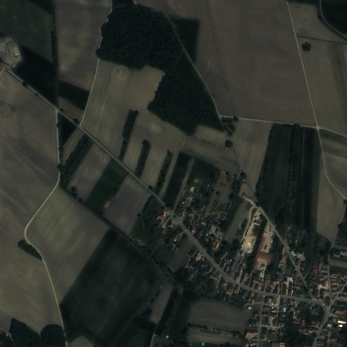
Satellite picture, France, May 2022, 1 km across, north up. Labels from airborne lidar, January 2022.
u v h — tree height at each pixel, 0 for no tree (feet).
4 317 0
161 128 0
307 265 0
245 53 0
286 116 0
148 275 0
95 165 0
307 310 0
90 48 0
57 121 0
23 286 0
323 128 0
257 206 31
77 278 0
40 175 0
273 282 0
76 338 0
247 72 0
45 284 0
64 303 0
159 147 0
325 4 0
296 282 0
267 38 0
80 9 0
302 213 0
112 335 0
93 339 0
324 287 0
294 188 25
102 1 0
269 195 0
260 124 0
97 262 0
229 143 39
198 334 0
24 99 0
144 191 0
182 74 0
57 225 0
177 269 0
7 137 0
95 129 0
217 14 0
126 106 0
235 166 0
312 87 0
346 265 0
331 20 0
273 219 0
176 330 0
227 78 0
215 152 0
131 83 0
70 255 0
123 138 0
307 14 0
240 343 0
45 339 58
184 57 0
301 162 0
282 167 0
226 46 0
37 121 0
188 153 0
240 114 0
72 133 0
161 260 0
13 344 62
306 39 0
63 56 0
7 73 0
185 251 0
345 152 0
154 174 0
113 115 0
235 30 0
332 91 0
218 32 0
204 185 0
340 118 0
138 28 68
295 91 0
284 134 0
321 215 0
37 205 0
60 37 0
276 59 0
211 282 48
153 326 0
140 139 0
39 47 0
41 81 0
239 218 0
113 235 0
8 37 0
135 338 0
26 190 0
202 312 0
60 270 0
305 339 56
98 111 0
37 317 0
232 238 0
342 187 0
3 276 0
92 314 0
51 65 0
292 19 0
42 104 0
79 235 0
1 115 0
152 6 0
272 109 0
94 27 0
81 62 0
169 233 0
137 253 0
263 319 0
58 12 0
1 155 0
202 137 0
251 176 0
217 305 0
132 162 0
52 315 0
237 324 0
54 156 0
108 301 0
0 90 0
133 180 0
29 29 0
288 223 0
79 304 0
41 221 0
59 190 0
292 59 0
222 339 0
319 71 0
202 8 0
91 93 0
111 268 0
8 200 0
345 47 0
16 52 0
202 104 43
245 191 0
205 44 0
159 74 0
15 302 0
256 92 0
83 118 0
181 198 0
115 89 0
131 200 0
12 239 0
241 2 0
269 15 0
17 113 0
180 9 0
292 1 48
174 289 0
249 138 0
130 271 0
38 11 0
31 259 0
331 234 0
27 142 0
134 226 0
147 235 0
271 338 0
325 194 0
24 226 0
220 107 0
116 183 0
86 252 0
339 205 0
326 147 0
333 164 0
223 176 0
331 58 0
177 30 0
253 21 0
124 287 0
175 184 0
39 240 0
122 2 0
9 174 0
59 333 52
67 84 0
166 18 59
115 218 0
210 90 0
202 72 0
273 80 0
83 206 0
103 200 0
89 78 0
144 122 0
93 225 0
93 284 0
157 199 0
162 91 28
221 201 0
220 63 0
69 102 0
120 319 0
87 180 0
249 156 0
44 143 0
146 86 0
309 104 0
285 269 0
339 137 0
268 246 0
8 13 0
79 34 0
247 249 0
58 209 0
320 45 0
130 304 0
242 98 0
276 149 0
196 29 0
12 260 0
